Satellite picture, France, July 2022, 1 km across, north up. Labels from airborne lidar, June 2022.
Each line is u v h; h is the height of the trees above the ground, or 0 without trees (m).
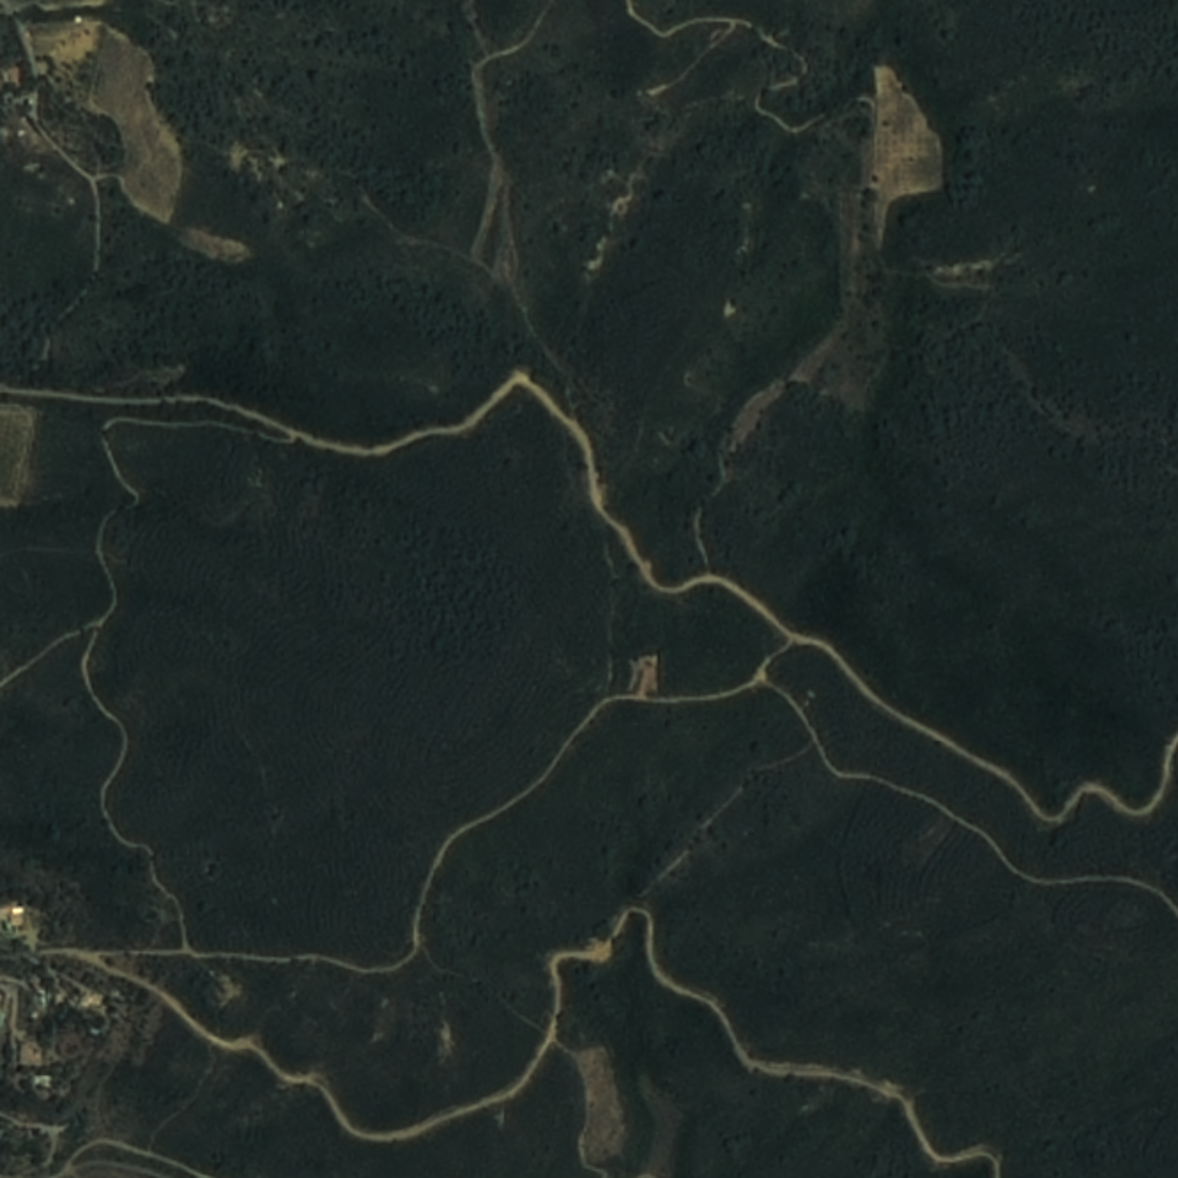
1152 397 8
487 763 6
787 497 12
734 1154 12
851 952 0
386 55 10
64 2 0
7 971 7
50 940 6
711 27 0
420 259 0
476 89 8
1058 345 9
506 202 0
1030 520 5
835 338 0
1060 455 9
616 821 6
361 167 7
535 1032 0
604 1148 0
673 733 12
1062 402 8
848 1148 0
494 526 6
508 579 7
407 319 8
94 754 0
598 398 8
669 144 0
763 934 0
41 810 6
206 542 7
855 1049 0
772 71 10
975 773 8
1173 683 6
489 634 8
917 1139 0
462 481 6
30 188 0
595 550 6
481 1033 0
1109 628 7
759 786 6
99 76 0
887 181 0
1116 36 8
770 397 0
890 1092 0
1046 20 9
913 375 6
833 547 9
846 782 0
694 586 0
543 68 0
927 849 0
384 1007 0
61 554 0
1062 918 5
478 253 0
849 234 0
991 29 0
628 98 8
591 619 6
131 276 9
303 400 7
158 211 0
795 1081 10
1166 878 5
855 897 6
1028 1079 0
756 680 0
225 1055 0
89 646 0
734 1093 0
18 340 11
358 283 6
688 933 0
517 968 0
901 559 7
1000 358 9
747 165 10
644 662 0
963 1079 0
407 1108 0
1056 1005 0
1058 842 7
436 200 9
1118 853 6
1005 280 7
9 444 0
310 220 11
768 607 0
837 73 10
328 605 6
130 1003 6
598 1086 0
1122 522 0
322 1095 0
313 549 5
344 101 7
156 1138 0
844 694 6
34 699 0
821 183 0
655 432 6
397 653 9
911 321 9
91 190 0
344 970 0
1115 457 7
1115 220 8
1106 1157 7
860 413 6
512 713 5
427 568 8
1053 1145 10
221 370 9
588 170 6
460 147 11
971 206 6
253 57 8
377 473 5
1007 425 7
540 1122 0
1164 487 7
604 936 11
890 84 0
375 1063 0
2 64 8
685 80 0
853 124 6
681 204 6
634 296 6
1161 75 9
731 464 7
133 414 7
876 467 6
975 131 16
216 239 0
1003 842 6
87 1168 0
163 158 0
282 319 6
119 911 6
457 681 5
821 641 0
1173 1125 6
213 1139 0
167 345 8
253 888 6
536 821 0
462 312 7
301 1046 0
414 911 6
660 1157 0
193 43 9
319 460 6
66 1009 7
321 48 10
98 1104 0
